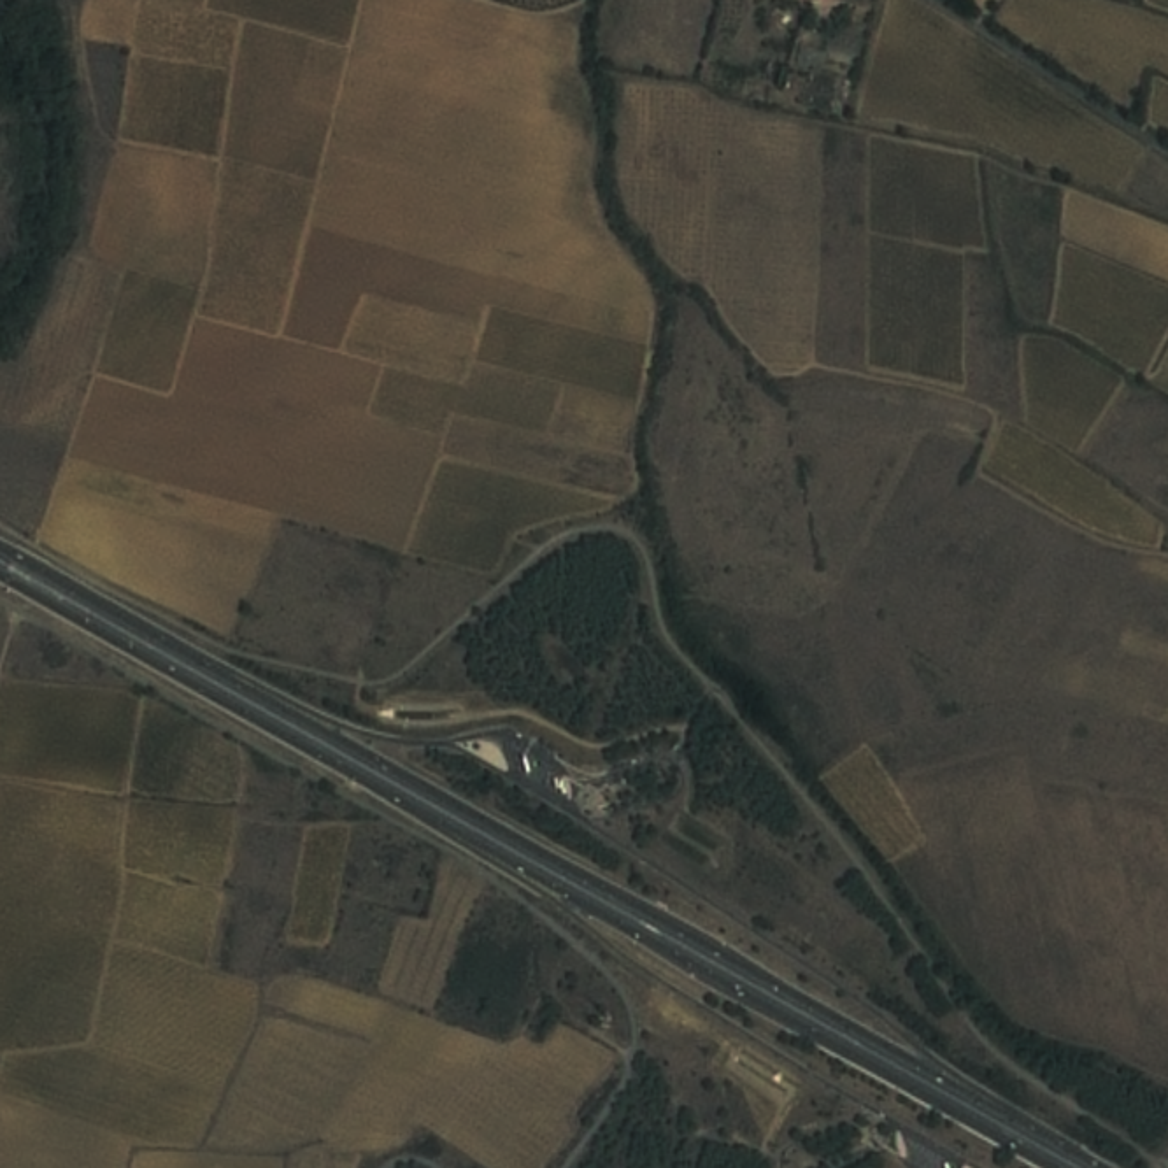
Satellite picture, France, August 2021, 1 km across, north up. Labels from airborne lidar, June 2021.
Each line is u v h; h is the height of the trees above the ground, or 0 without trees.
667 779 7
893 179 0
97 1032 0
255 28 0
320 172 0
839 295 0
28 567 0
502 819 0
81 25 0
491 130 0
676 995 0
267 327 0
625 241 9
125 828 0
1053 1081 11
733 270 0
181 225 0
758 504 0
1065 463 0
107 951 0
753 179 0
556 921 0
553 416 0
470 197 0
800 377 0
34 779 0
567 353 0
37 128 11
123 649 0
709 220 0
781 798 10
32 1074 0
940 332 0
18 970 0
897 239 0
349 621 0
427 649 0
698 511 0
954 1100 0
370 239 0
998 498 0
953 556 0
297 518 0
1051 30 0
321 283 0
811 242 0
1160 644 0
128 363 0
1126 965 0
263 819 0
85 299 0
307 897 0
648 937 0
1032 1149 0
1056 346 0
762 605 0
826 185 0
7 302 13
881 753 0
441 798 0
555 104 0
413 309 0
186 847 0
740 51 0
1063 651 0
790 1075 0
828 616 0
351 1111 0
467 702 0
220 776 0
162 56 0
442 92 0
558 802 0
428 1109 0
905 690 0
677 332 0
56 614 0
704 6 0
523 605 13
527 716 0
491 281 0
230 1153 0
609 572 13
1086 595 0
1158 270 0
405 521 0
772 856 0
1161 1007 0
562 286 0
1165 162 0
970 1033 0
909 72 0
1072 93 0
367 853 0
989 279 0
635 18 0
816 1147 9
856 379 0
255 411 0
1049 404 0
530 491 0
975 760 0
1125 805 0
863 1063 0
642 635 9
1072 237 0
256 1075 0
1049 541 0
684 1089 0
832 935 0
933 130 0
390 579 0
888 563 0
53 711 0
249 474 0
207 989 0
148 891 0
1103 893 0
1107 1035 0
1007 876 0
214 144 0
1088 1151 0
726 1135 7
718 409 0
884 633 0
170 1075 0
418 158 0
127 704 0
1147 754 0
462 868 0
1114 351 0
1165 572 0
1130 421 0
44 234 22
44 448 0
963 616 0
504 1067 0
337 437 0
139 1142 0
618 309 0
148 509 0
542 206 0
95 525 0
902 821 0
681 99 0
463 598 0
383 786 0
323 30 0
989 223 0
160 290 0
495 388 0
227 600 0
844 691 0
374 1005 0
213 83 0
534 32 0
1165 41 0
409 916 0
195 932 0
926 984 11
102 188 0
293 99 0
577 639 12
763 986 0
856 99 0
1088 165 0
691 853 0
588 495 0
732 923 0
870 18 6
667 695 12
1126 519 0
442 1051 0
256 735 0
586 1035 0
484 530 0
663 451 0
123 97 0
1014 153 0
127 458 0
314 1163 0
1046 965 0
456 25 0
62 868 0
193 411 0
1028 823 0
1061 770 0
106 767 0
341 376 0
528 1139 0
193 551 0
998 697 0
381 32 0
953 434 0
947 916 0
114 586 0
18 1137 0
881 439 0
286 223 0
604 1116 0
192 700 0
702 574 0
